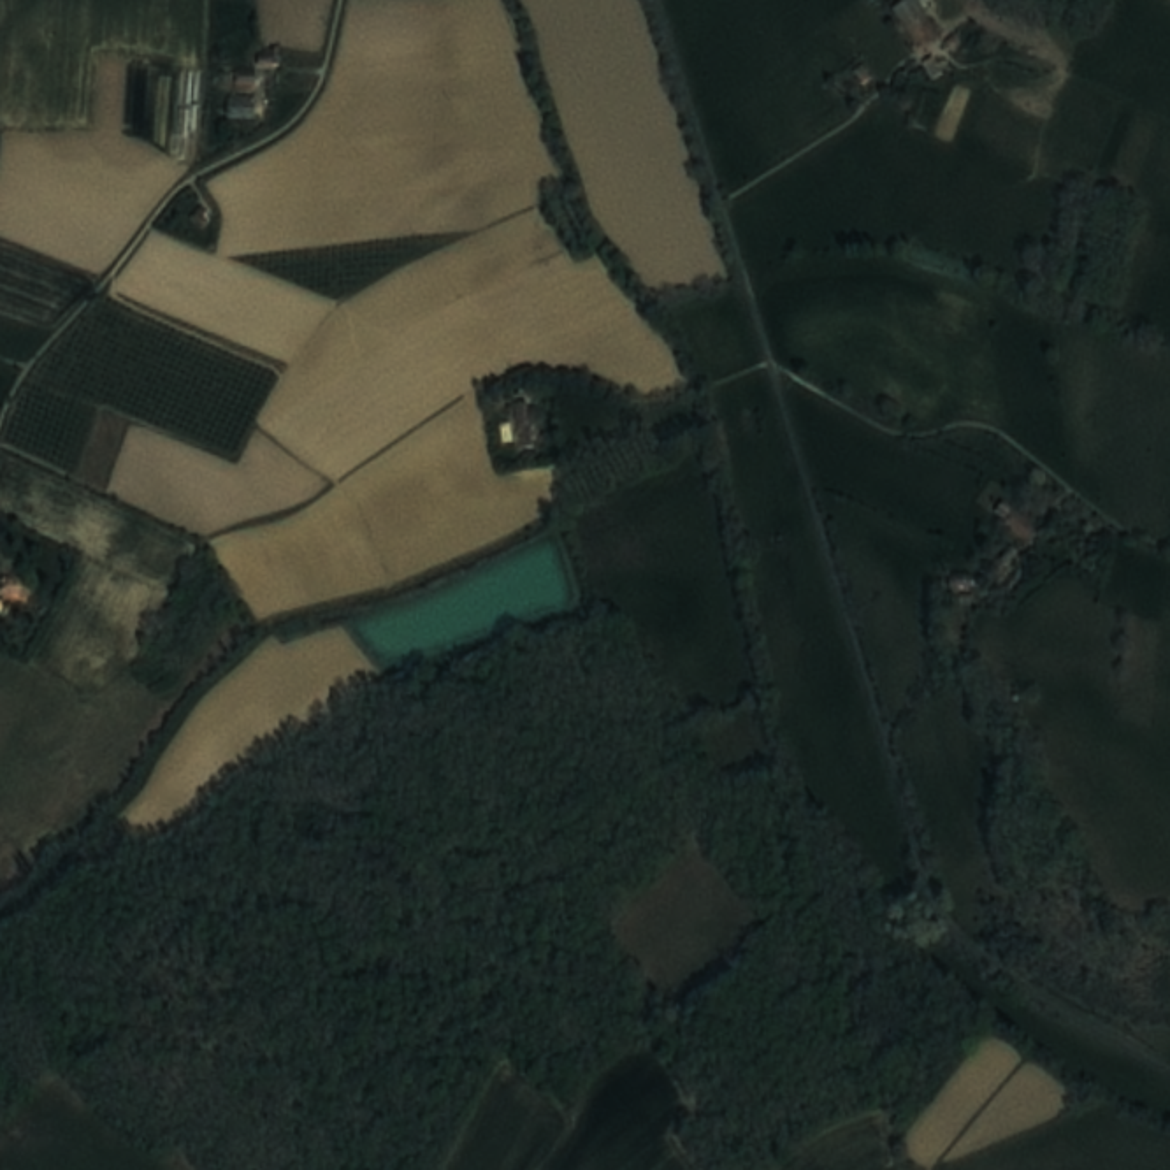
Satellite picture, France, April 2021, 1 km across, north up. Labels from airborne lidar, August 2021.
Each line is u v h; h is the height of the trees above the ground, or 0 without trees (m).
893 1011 19
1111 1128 0
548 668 18
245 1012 17
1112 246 20
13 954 23
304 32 0
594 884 27
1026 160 0
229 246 0
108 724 0
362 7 0
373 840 22
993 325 6
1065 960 13
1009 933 14
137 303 0
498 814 15
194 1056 13
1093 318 17
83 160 0
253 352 0
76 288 0
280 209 0
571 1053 15
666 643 0
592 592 7
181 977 9
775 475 0
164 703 0
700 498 0
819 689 0
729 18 0
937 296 0
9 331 0
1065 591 0
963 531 0
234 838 22
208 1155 15
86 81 0
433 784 16
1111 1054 0
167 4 0
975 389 0
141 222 0
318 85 0
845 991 23
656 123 0
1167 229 0
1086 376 0
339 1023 20
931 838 9
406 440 0
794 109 0
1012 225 0
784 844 17
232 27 0
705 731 19
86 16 0
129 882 21
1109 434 0
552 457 7
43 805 0
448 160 0
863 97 7
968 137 0
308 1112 18
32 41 0
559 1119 0
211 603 21
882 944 20
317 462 0
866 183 0
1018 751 23
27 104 0
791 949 20
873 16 0
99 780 0
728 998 21
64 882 27
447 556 0
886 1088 28
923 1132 0
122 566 0
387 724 21
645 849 25
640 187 0
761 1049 21
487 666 16
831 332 0
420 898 23
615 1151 0
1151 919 15
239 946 22
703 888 0
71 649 0
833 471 0
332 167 0
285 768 18
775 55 0
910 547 0
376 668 0
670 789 23
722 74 0
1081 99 0
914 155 0
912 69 6
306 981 20
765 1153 19
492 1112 0
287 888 16
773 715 13
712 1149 19
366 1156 20
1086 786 0
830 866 21
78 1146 0
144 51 0
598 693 17
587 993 18
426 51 0
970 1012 23
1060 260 23
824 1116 16
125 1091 20
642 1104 0
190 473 0
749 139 0
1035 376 0
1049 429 0
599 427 0
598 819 27
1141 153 0
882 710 12
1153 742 0
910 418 6
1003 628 0
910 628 0
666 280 0
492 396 15
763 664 14
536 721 21
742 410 0
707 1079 16
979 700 23
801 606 0
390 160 0
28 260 0
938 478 0
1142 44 0
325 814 14
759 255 0
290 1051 21
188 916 20
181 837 15
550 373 13
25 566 13
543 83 17
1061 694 0
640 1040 19
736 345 0
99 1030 18
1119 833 0
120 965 21
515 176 0
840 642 0
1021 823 21
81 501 0
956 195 0
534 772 19
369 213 0
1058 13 20
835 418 0
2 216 0
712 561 0
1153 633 0
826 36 0
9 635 8
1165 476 0
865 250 24
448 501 0
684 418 0
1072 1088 12
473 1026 23
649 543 0
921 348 0
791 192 0
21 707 0
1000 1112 0
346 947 24
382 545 0
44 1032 21
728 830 23
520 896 21
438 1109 23
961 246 0
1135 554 0
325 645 0
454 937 23
